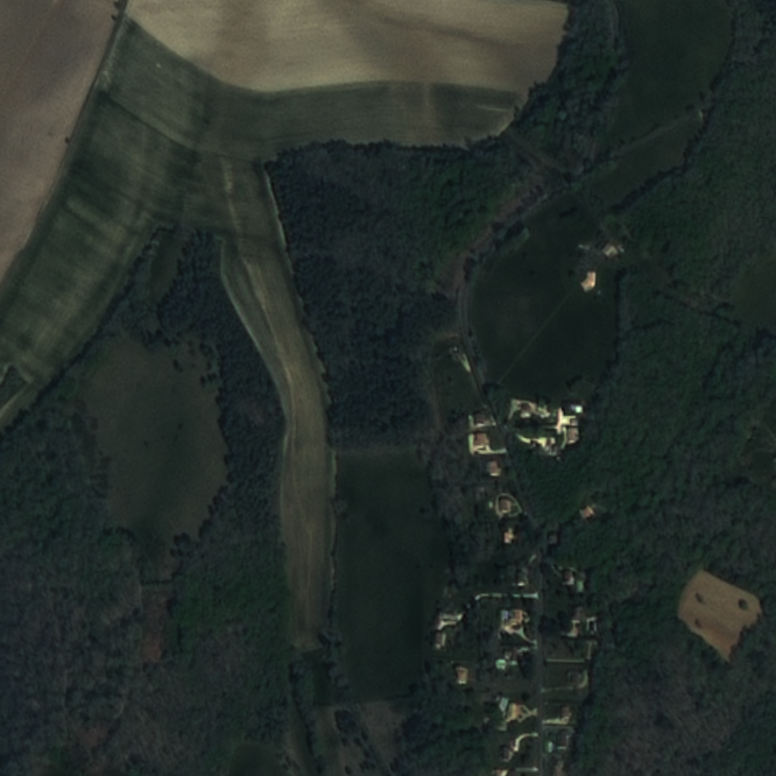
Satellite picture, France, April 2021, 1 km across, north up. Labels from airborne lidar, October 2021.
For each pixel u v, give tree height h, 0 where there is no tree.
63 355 0
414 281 18
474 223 25
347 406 16
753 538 17
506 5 0
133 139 0
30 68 0
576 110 14
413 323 20
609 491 25
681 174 8
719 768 19
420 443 16
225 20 0
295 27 0
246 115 0
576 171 0
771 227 21
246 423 17
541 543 21
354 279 22
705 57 0
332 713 0
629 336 17
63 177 0
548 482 19
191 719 17
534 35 0
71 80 0
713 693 18
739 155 19
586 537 23
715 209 18
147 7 0
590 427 18
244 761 0
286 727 11
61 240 0
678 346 22
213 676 18
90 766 0
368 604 0
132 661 23
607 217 22
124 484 0
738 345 21
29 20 0
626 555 19
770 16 21
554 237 0
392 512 0
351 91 0
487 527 11
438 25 0
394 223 23
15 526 26
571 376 0
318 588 0
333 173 19
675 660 20
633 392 24
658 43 0
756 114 20
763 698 16
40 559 23
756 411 19
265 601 24
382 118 0
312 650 0
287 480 0
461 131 0
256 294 0
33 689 15
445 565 0
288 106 0
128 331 21
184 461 0
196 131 0
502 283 0
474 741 14
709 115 6
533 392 0
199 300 0
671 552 22
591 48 23
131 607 19
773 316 0
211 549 14
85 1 0
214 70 0
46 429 17
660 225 20
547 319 0
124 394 0
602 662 16
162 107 0
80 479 21
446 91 0
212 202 0
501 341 0
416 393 16
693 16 0
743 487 17
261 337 0
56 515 14
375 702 0
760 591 15
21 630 18
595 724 19
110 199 0
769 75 17
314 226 25
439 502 14
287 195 17
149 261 13
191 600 22
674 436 21
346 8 0
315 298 21
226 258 0
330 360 22
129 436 0
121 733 14
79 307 0
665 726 24
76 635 20
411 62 0
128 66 0
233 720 16
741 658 21
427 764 19
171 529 0
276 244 0
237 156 0
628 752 15
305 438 0
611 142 0
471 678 0
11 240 0
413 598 0
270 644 22
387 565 0
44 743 20
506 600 9
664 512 19
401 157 21
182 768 14
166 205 0
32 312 0
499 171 29
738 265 13
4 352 0
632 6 0
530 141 15
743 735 21
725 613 0
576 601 11
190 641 20
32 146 0
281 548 21
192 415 0
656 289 10
